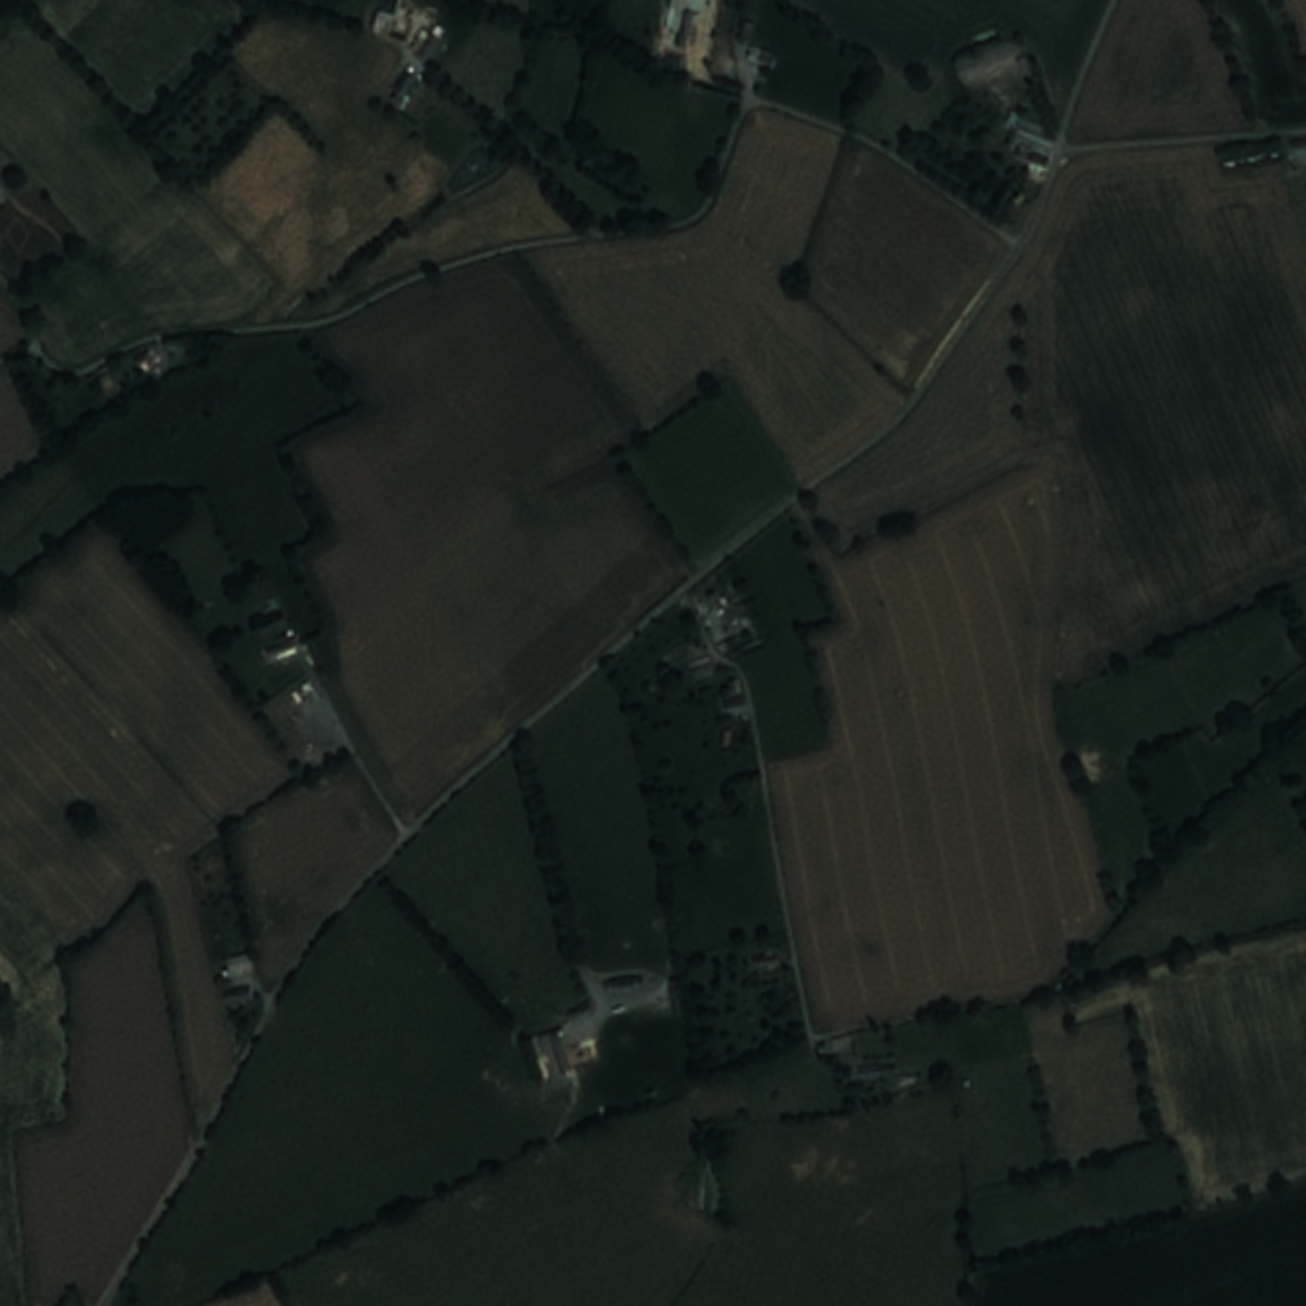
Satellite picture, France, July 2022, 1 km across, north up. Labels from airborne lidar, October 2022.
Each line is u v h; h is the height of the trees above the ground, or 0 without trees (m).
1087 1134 0
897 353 0
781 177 0
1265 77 0
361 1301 0
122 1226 0
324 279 0
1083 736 0
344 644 0
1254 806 0
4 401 0
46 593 0
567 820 0
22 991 0
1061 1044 0
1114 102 0
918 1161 0
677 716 0
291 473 14
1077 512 0
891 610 0
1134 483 0
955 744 0
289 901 0
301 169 0
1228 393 0
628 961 0
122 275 0
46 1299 0
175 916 0
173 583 17
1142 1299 0
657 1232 0
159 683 0
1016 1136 0
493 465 0
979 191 13
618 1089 0
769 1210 0
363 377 0
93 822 20
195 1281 0
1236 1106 0
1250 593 0
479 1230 0
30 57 0
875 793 0
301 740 0
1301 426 0
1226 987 0
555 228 0
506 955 0
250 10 15
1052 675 0
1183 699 0
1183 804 0
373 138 0
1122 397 0
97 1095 0
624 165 20
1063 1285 0
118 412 14
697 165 0
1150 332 0
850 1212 0
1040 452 0
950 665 0
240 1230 0
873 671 0
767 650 7
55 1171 0
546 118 0
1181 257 0
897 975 0
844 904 0
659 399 0
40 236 0
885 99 0
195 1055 0
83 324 0
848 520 0
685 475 0
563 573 0
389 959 0
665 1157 0
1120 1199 0
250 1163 0
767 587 0
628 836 0
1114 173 0
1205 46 0
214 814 0
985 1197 0
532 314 0
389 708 0
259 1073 0
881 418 0
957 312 0
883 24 0
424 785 0
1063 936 0
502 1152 0
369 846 0
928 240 0
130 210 0
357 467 0
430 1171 0
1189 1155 0
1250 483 0
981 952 0
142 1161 0
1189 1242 0
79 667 0
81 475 0
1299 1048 0
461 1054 0
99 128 0
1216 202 0
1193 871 0
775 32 0
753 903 0
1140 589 0
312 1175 0
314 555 0
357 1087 0
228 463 0
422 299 0
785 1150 0
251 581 22
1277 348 0
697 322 0
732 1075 7
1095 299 0
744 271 0
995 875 0
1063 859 0
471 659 0
